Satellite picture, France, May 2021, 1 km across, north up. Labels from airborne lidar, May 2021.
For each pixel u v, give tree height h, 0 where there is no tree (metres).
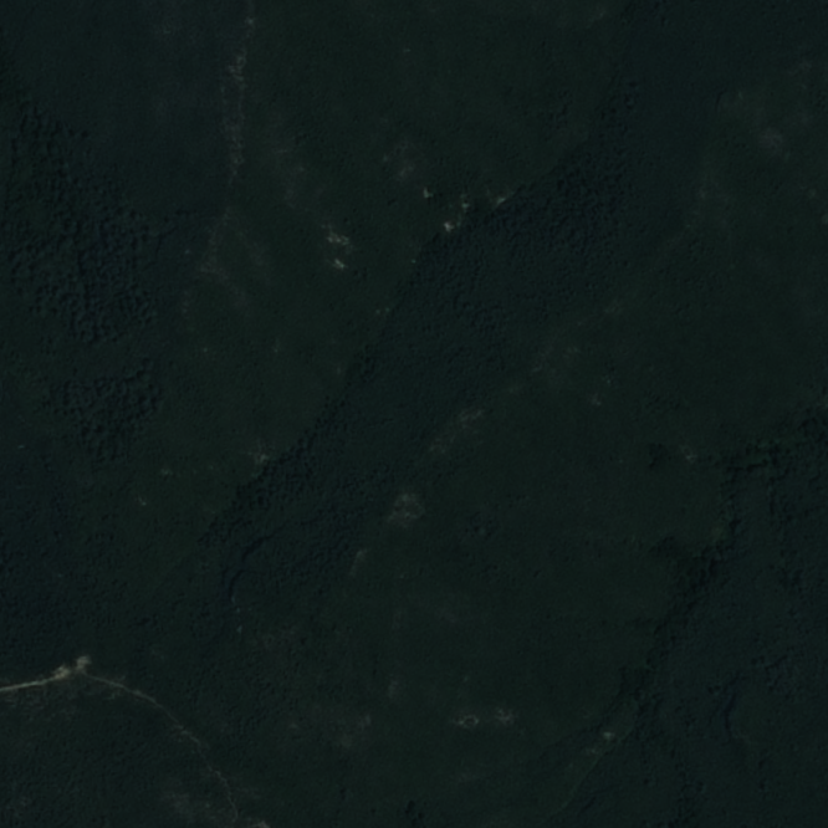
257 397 10
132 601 7
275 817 6
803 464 8
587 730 9
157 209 6
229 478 6
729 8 6
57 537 11
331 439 6
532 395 8
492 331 11
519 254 12
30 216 6
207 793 9
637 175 6
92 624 6
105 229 12
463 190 8
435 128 6
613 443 8
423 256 13
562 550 6
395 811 6
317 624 8
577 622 7
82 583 11
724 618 6
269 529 6
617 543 7
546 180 12
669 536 5
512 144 8
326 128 6
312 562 12
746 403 6
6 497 8
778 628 12
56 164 13
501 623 7
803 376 7
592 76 6
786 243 5
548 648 5
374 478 11
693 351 6
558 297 9
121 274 17
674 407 11
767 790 13
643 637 7
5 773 10
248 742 11
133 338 7
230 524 9
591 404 6
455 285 6
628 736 7
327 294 6
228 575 6
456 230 10
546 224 7
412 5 8
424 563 6
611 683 6
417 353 6
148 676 9
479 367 9
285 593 6
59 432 6
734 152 8
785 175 6
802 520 6
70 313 7
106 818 13
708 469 10
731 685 9
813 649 6
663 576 6
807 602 9
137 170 5
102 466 7
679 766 12
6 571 16
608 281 7
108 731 8
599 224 16
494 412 10
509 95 12
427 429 5
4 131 9
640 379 8
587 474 6
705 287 6
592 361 6
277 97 10
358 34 7
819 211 7
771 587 6
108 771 7
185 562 7
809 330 6
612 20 7
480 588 6
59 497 8
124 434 14
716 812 5
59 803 6
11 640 6
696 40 6
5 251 7
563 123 11
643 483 6
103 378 8
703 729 6
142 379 14
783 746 6
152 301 13
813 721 6
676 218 6
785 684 17
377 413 5
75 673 0
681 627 13
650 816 6
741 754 7
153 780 8
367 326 6
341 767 6
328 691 10
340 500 5
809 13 6
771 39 6
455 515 6
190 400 7
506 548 6
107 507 6
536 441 6
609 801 7
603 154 6
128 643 6
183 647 6
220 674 9
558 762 6
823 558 6
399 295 14
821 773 7
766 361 6
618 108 6
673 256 5
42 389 5
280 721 7
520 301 7
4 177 9
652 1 5
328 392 7
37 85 6
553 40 6
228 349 8
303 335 5
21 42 6
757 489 6
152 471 6
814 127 6
